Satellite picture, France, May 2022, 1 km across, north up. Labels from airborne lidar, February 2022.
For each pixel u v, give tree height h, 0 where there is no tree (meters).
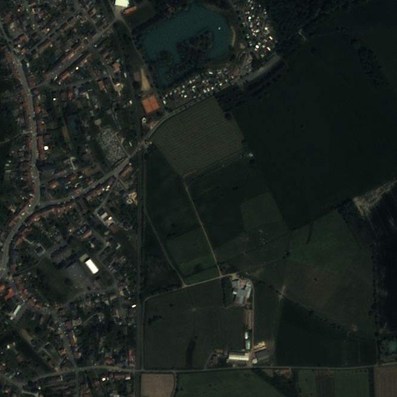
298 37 15
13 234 0
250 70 0
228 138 0
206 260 0
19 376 0
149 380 0
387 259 0
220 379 0
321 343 0
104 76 0
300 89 0
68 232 0
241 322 0
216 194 0
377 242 0
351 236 0
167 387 0
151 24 19
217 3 11
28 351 0
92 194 0
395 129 0
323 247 0
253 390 0
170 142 0
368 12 0
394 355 0
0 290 0
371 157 0
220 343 0
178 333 0
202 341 0
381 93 0
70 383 0
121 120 0
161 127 0
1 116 0
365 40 0
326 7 25
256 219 0
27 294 0
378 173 0
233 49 8
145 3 0
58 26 0
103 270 0
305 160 0
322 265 0
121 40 12
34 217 0
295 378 0
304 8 18
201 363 0
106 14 0
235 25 0
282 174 0
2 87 0
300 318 0
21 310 0
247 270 0
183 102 0
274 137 0
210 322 0
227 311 0
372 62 16
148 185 0
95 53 0
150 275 0
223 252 0
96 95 0
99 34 0
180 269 0
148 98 0
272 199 0
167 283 0
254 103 0
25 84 0
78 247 0
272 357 0
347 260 0
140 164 0
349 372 0
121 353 7
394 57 0
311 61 0
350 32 0
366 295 0
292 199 0
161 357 0
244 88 0
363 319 0
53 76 0
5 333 0
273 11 18
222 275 0
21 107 0
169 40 0
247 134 0
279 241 0
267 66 0
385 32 0
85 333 9
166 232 0
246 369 0
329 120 0
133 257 0
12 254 0
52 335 7
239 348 0
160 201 0
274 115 0
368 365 0
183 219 0
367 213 0
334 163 0
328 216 0
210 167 0
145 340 0
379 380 0
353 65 0
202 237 0
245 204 0
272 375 0
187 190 0
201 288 0
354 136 0
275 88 0
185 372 0
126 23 0
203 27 0
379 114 0
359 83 0
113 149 0
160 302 0
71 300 0
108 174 0
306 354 0
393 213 0
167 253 0
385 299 0
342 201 0
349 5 17
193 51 16
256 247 0
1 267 0
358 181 0
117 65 0
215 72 0
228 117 13
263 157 0
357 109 0
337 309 0
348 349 0
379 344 15
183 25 0
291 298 0
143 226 6
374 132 0
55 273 0
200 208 0
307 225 0
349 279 0
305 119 0
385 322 0
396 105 0
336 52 0
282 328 0
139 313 0
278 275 0
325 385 0
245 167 0
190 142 0
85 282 0
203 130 0
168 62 11
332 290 0
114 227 0
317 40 0
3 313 6
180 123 0
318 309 0
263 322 0
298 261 0
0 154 0
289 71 7
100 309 10
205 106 0
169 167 0
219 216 0
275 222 0
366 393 0
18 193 0
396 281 0
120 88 0
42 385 6
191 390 0
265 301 0
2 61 0
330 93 0
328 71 0
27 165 0
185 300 0
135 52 0
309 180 0
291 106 0
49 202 0
